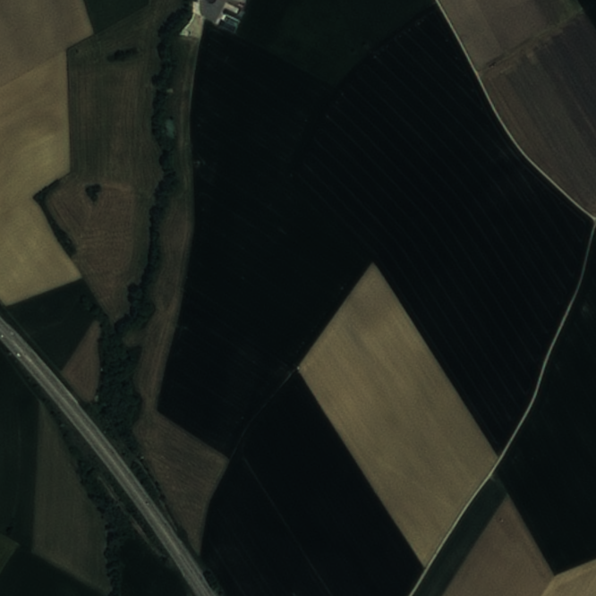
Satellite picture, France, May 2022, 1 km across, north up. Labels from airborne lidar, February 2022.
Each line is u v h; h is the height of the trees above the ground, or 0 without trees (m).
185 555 0
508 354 0
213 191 0
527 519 0
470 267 0
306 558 0
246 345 0
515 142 0
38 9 0
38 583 0
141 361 0
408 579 0
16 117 0
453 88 0
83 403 0
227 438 0
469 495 0
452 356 0
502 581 0
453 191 0
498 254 0
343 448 0
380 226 0
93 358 0
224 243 0
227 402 0
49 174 0
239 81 0
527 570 0
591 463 0
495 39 0
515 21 0
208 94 0
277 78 0
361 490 0
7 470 0
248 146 0
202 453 0
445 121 0
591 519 0
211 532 0
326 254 0
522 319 0
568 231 0
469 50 0
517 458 0
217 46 0
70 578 0
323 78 0
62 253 0
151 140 0
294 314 0
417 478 0
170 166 12
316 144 0
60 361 0
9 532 8
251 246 0
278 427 0
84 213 0
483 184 0
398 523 0
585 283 0
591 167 0
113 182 0
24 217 0
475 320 0
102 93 0
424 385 0
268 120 0
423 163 0
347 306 0
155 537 0
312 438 0
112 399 18
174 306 0
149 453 0
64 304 0
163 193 12
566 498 0
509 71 0
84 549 0
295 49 0
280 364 0
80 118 0
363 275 0
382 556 0
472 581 0
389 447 0
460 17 0
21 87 0
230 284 0
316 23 0
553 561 0
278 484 0
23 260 0
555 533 0
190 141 0
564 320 0
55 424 0
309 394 0
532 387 0
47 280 0
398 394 0
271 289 0
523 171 0
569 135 0
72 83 0
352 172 0
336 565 0
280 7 0
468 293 0
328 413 0
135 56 0
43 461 0
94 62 0
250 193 0
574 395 0
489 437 0
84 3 0
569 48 0
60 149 0
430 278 0
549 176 0
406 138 0
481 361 0
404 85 0
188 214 0
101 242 0
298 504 0
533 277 0
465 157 0
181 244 0
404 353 0
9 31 0
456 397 0
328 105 0
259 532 0
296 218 0
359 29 0
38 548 0
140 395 0
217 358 0
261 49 0
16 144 0
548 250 0
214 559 0
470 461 0
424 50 0
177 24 19
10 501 0
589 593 0
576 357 0
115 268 0
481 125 0
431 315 0
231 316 0
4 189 0
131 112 0
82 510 0
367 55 0
